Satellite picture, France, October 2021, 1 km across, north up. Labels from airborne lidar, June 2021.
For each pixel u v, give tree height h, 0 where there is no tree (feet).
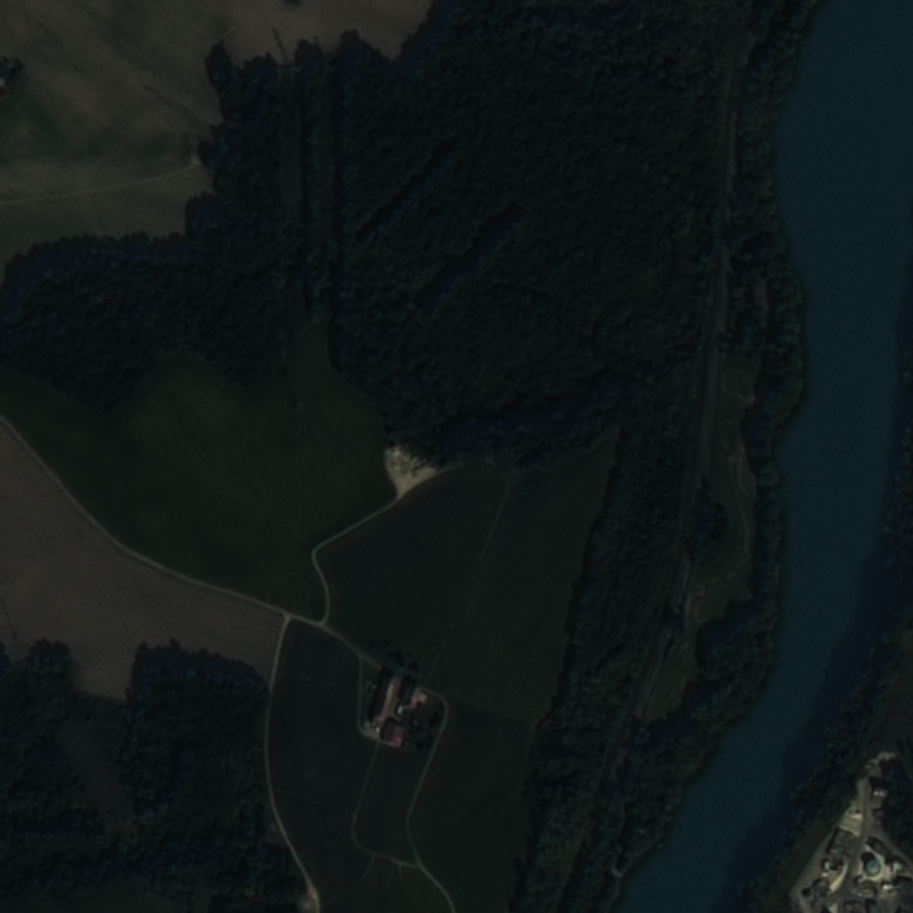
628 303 78
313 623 0
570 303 76
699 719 71
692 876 0
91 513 0
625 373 89
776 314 50
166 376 0
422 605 0
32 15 0
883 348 0
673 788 62
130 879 50
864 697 86
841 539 0
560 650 0
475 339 74
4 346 80
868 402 0
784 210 0
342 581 0
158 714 82
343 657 0
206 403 0
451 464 46
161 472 0
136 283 67
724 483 0
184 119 0
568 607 0
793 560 0
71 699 18
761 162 41
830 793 47
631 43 77
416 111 79
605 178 87
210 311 90
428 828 0
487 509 0
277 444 0
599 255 73
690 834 0
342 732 0
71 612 0
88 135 0
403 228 70
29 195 0
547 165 83
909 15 0
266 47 0
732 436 0
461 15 58
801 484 0
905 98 0
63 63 0
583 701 63
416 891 0
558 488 0
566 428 83
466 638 0
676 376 67
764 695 0
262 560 0
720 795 0
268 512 0
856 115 0
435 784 0
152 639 0
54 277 89
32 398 0
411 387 99
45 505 0
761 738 0
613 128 86
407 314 74
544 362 83
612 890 71
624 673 65
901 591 69
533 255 68
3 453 0
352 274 85
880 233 0
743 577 0
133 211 0
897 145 0
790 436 0
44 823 22
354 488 0
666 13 48
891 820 65
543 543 0
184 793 72
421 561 0
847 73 0
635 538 56
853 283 0
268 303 73
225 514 0
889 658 75
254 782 55
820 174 0
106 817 0
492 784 0
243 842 96
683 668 0
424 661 0
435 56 72
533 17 68
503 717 0
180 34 0
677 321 83
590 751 80
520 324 78
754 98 66
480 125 71
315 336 0
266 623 0
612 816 51
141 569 0
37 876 103
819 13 0
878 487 0
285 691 0
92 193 0
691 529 0
